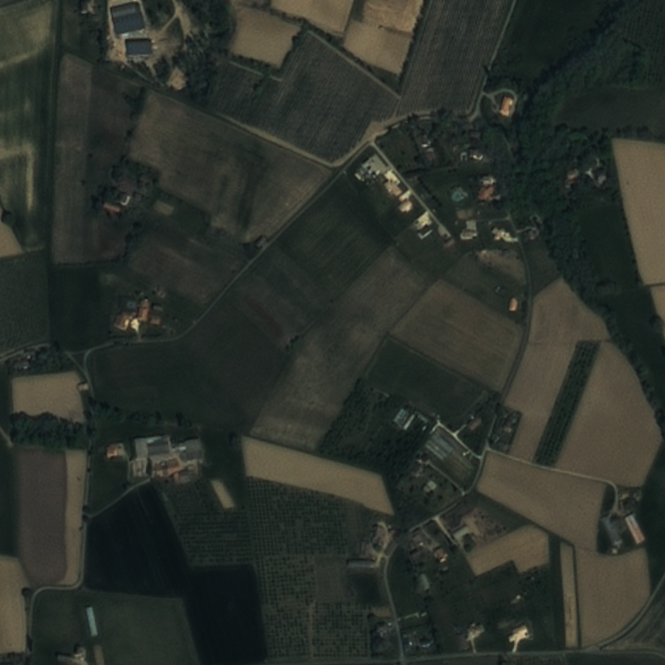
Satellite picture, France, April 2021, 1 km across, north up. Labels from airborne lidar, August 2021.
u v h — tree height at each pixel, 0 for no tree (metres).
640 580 0
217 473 0
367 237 0
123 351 0
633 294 0
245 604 0
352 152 0
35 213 0
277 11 9
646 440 0
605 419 0
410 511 7
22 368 8
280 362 0
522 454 0
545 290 0
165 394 0
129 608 0
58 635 0
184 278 0
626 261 0
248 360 0
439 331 0
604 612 0
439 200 9
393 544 6
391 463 6
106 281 0
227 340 0
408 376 0
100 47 6
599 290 20
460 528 0
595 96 0
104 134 0
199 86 12
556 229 25
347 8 0
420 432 7
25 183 0
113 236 0
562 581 0
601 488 0
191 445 0
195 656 0
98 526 0
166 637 0
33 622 0
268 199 0
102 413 15
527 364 0
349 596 0
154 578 0
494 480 0
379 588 0
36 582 0
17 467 0
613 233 0
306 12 0
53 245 0
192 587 0
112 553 0
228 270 0
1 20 0
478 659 0
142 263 0
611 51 24
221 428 0
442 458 0
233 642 0
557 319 0
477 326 0
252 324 0
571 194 7
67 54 0
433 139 7
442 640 21
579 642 0
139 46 0
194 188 0
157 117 0
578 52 12
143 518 0
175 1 0
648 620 0
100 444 0
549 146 19
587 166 15
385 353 0
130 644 0
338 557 0
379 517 0
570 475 0
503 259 0
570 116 0
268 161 0
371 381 0
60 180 0
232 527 5
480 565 0
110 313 0
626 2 17
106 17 0
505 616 0
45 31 0
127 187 0
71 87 0
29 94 0
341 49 7
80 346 0
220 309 0
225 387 0
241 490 0
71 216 0
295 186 0
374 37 0
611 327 13
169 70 16
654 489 0
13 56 0
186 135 0
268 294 0
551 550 0
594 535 0
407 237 0
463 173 0
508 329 0
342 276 0
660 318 9
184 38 0
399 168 8
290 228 0
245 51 0
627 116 0
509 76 7
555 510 0
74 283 0
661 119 0
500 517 0
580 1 0
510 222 0
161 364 0
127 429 0
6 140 0
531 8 0
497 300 0
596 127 0
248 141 0
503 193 19
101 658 0
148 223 0
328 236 0
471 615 0
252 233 0
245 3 0
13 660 11
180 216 0
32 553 0
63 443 20
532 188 32
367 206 0
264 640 0
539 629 0
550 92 20
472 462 0
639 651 0
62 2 0
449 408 0
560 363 0
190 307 0
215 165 0
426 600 7
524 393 0
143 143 0
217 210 0
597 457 0
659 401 17
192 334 0
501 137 20
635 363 15
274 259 0
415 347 0
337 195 0
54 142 0
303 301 0
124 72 8
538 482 0
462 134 7
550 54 0
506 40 0
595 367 0
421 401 0
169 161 0
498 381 0
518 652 0
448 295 0
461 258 0
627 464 0
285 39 0
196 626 0
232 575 0
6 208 0
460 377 0
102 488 0
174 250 0
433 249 0
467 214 0
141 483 0
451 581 0
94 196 0
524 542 0
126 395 0
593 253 0
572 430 0
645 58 20
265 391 0
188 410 0
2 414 0
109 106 0
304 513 5
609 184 10
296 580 5
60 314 0
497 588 0
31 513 0
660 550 0
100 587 0
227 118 0
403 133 11
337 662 0
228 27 8
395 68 0
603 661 0
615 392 0
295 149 0
